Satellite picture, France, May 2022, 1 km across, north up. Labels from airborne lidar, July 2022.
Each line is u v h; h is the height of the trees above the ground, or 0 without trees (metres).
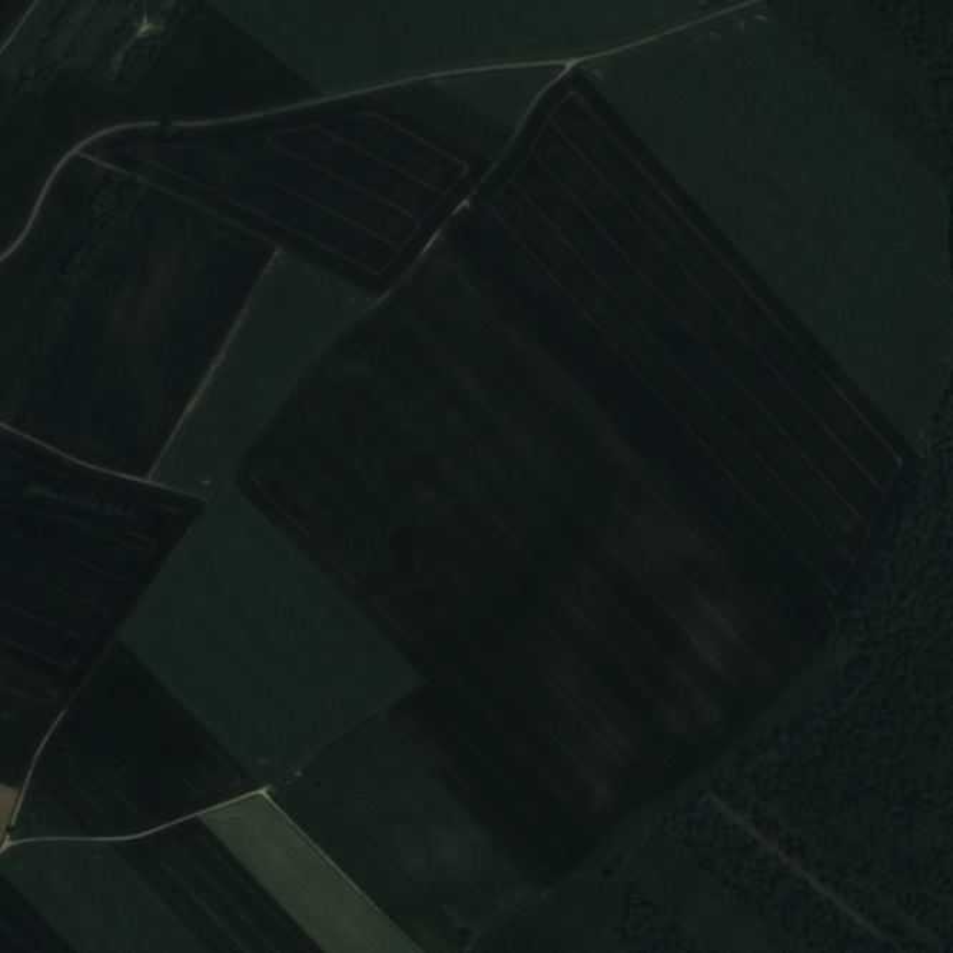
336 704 0
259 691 0
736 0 0
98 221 8
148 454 0
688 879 6
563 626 0
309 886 0
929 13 25
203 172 0
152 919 0
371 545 0
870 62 12
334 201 0
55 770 0
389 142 0
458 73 0
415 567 0
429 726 0
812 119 0
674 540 0
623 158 0
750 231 0
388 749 0
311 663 0
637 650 0
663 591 0
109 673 0
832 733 16
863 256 0
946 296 0
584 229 0
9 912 0
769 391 0
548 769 0
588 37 0
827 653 0
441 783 0
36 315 0
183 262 0
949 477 21
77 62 0
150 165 0
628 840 0
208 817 0
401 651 0
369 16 0
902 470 0
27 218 0
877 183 0
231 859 0
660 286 0
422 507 0
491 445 0
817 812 16
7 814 0
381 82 0
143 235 0
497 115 0
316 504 0
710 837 16
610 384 0
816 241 0
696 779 0
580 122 0
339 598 0
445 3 0
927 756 17
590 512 0
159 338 0
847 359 0
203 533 0
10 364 0
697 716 0
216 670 0
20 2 0
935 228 0
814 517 0
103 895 0
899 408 0
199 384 0
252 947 0
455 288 0
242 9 0
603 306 0
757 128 0
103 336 0
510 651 0
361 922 0
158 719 0
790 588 0
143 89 0
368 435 0
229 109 0
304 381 0
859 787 17
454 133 0
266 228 0
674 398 0
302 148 0
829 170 0
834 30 12
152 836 0
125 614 0
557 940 0
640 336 0
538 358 0
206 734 0
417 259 0
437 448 0
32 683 0
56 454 0
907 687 21
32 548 0
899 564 9
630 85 0
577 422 0
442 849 0
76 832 0
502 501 0
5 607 0
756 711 0
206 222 0
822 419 0
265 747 0
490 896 0
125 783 0
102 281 0
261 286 0
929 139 11
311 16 0
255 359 0
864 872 22
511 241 0
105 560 0
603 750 0
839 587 0
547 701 0
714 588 0
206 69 0
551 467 0
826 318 0
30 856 0
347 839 0
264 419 0
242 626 0
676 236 0
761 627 0
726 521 0
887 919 11
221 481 0
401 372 0
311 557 0
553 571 0
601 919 0
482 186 0
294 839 0
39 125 0
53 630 0
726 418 0
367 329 0
